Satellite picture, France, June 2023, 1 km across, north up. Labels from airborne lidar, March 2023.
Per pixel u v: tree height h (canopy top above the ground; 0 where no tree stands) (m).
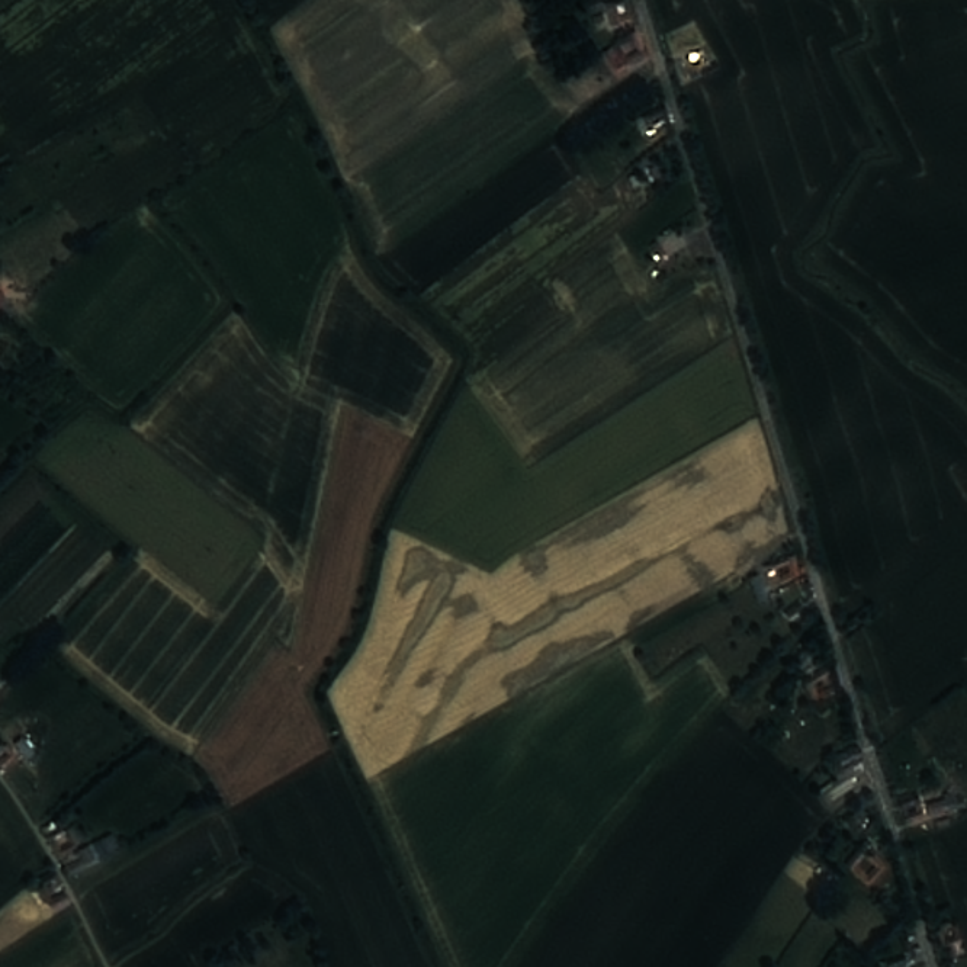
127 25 0
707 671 0
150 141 0
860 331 0
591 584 0
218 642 0
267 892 0
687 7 0
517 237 0
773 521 0
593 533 0
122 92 0
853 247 0
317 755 0
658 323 0
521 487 0
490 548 0
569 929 0
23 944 0
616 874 0
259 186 0
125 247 0
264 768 0
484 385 0
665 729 0
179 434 0
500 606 0
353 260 0
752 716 0
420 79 0
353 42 0
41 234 0
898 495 0
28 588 0
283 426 0
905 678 0
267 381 0
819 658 13
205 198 0
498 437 0
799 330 0
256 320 0
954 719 0
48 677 0
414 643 0
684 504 0
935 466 0
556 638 0
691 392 0
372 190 0
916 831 0
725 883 0
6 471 16
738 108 0
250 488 0
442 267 0
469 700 0
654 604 0
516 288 0
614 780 0
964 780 0
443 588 0
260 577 0
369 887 0
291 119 0
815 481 0
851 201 0
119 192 0
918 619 0
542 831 0
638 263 0
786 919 0
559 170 0
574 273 0
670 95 0
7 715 0
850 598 0
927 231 0
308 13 0
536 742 0
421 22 0
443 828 0
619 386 0
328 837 0
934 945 13
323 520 0
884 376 0
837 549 0
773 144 0
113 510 0
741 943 0
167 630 0
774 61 0
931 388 0
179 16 0
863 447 0
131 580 0
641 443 0
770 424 0
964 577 0
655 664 0
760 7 0
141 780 0
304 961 0
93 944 0
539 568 0
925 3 0
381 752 0
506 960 0
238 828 0
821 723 0
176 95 0
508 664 0
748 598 0
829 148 0
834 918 0
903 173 0
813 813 0
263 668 0
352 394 0
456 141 0
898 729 0
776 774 0
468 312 0
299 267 0
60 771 0
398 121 0
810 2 0
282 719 0
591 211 0
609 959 0
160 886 0
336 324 0
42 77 0
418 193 0
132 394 0
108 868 0
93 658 0
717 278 0
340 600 0
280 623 0
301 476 0
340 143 0
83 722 0
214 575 0
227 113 0
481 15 0
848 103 0
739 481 0
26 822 0
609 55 0
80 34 0
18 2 0
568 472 0
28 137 0
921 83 0
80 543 0
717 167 0
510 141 0
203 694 0
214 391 0
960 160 0
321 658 0
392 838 0
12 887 0
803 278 0
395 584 0
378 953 0
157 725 0
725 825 0
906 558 0
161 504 0
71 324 0
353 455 0
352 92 0
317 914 0
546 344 0
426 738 0
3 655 0
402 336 0
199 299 0
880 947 10
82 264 0
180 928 0
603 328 0
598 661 0
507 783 0
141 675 0
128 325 0
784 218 0
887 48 0
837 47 0
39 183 0
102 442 0
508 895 0
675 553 0
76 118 0
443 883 0
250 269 0
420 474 0
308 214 0
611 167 0
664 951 0
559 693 0
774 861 0
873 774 0
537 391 0
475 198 0
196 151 0
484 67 0
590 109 0
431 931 0
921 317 0
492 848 0
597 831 0
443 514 0
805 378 0
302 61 0
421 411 0
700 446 0
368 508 0
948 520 0
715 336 0
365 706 0
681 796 0
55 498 0
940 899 0
